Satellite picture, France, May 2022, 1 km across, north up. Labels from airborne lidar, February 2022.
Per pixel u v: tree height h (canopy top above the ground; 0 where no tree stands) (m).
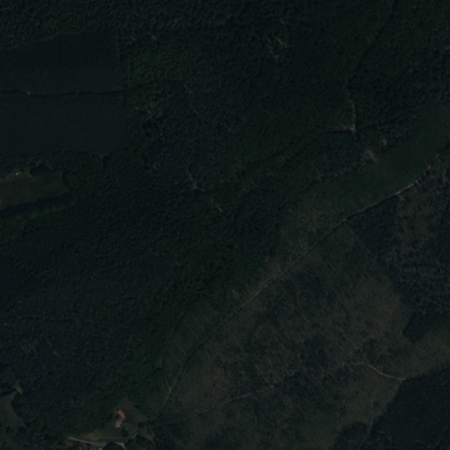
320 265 14
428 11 27
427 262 6
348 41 29
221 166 20
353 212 11
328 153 29
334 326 11
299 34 25
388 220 14
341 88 30
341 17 24
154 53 20
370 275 12
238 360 6
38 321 22
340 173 27
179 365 13
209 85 23
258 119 24
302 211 13
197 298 21
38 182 0
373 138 20
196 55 24
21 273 19
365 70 30
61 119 19
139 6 24
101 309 16
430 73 15
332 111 15
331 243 13
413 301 13
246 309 12
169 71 25
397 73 24
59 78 17
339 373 11
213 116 28
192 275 28
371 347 13
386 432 20
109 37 0
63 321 26
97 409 26
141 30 26
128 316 21
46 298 16
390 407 21
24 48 0
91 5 24
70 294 16
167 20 27
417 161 9
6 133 18
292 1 34
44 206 28
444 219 10
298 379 12
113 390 24
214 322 0
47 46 0
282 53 20
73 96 18
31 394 24
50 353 23
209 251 29
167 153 30
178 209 18
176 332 19
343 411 10
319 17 25
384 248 14
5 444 8
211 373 12
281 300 12
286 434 12
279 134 27
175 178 27
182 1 29
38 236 0
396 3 28
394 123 24
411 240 7
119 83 15
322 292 14
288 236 13
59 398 23
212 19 26
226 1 28
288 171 29
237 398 12
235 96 24
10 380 24
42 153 19
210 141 25
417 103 28
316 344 13
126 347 21
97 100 18
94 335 23
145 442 15
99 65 14
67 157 21
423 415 23
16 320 19
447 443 28
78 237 0
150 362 24
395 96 28
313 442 12
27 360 27
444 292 26
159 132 35
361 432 24
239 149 21
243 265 26
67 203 21
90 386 17
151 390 17
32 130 17
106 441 0
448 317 0
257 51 32
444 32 27
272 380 10
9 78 13
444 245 11
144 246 19
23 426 0
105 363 19
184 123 29
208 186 18
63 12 26
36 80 16
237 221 29
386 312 11
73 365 21
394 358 9
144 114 34
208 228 18
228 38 27
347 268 12
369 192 14
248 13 28
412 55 27
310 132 28
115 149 20
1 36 25
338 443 20
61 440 24
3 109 15
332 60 27
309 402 12
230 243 28
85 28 23
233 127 21
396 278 13
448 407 22
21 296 17
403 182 9
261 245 26
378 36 30
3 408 0
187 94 25
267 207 25
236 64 29
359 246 13
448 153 26
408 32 28
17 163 27
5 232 20
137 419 0
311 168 29
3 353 25
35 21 28
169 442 19
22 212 26
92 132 20
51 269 0
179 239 12
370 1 24
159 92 15
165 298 32
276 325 11
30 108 14
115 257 16
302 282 11
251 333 11
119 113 17
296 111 33
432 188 7
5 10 27
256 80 31
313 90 30
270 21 33
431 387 23
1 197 0
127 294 21
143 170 17
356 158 25
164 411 0
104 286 17
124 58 20
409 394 21
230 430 10
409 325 18
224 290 25
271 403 12
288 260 15
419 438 23
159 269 23
